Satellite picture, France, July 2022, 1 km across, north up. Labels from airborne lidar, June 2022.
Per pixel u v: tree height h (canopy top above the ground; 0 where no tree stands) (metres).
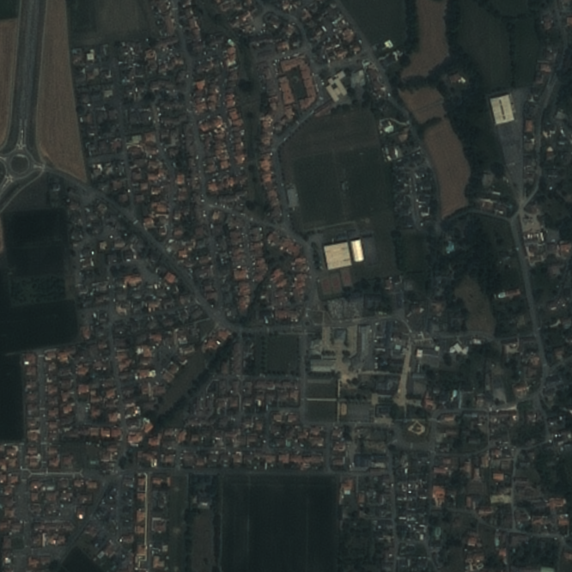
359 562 8
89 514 0
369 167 0
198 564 0
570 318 8
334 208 0
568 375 12
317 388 0
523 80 0
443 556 12
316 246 9
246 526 0
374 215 0
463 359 12
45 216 0
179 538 0
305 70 0
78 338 0
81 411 0
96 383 0
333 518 0
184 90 0
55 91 0
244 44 7
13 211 0
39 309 0
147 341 7
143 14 0
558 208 0
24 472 0
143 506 0
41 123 0
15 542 0
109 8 0
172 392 0
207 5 0
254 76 0
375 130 0
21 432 0
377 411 0
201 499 0
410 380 0
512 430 0
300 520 0
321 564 0
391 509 0
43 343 0
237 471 0
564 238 16
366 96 8
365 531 10
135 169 5
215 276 0
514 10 0
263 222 0
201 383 12
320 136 0
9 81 0
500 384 0
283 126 5
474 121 0
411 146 10
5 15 0
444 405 6
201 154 0
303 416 0
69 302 0
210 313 0
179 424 0
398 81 14
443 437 0
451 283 9
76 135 0
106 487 0
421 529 0
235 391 0
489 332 0
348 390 0
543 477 7
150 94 17
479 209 0
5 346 0
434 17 0
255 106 0
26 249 0
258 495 0
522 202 0
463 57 19
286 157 0
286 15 0
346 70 8
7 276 0
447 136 0
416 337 0
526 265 0
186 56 0
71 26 0
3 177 0
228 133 0
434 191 7
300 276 0
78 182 0
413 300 7
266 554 0
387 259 0
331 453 0
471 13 0
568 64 7
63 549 0
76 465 0
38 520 0
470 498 0
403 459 0
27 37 0
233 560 0
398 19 0
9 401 0
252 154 0
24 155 0
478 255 17
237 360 0
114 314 0
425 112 0
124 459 11
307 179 0
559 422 11
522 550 9
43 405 0
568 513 8
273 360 0
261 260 0
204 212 0
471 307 0
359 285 9
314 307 0
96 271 12
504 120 0
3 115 0
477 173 13
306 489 0
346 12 0
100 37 0
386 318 0
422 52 0
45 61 0
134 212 0
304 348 0
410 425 0
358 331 0
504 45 0
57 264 0
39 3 0
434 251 17
